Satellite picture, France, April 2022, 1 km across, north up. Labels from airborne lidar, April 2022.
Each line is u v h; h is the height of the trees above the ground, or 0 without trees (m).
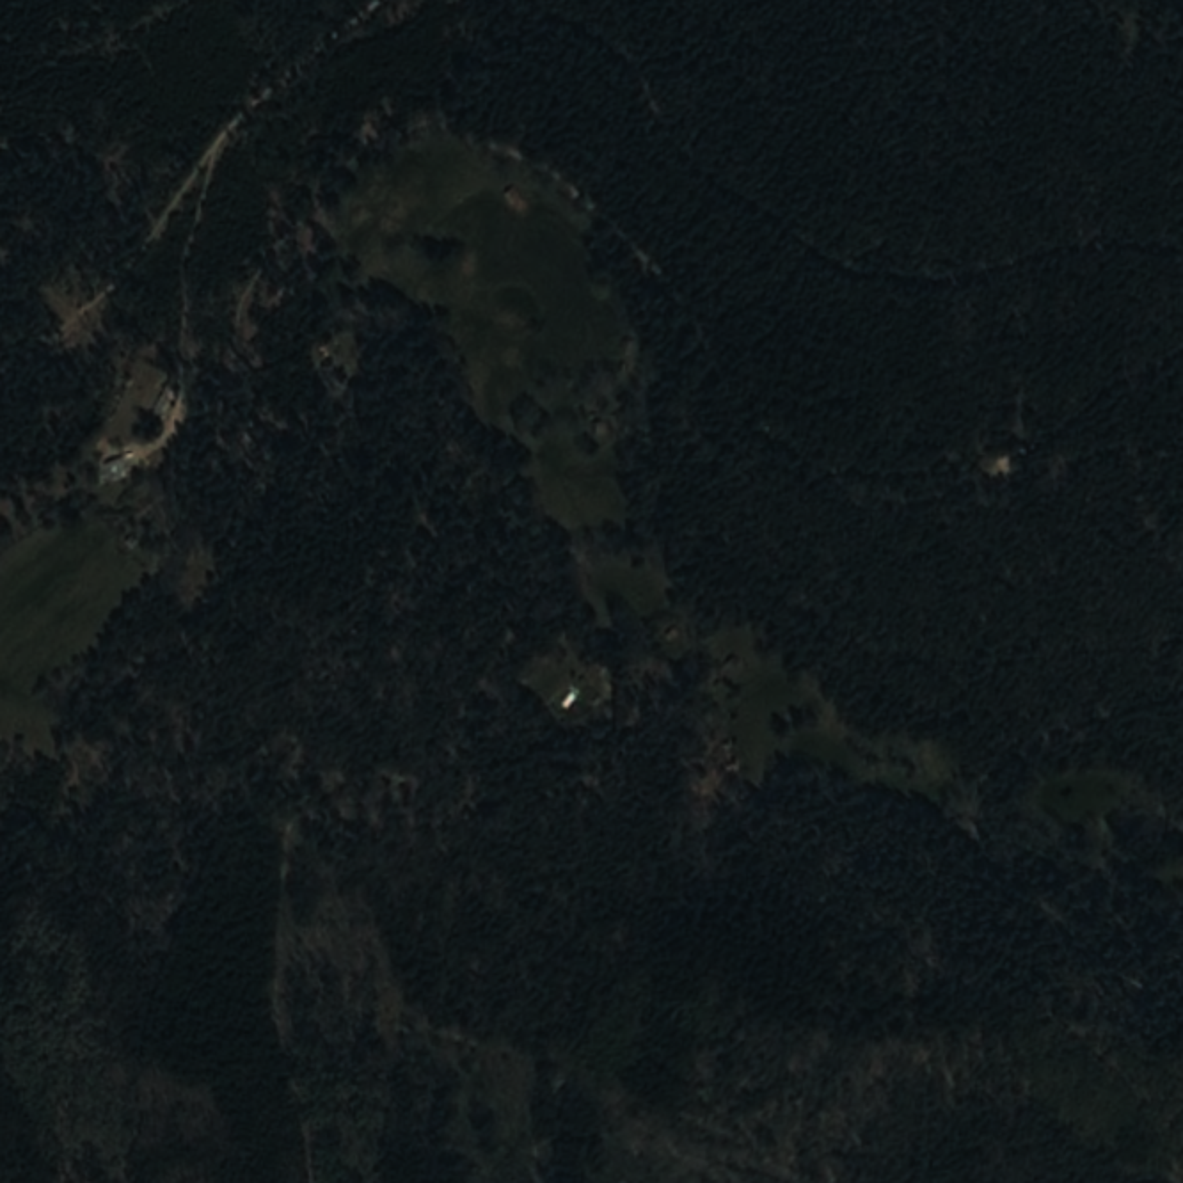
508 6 17
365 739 21
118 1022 23
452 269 0
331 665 27
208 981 29
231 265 12
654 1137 7
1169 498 25
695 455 23
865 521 20
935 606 18
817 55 24
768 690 0
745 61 25
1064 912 30
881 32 26
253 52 7
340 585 29
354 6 14
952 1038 10
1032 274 27
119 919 27
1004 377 28
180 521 24
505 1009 25
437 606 28
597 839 24
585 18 13
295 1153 18
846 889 24
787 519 20
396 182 0
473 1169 28
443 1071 27
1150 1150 12
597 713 7
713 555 26
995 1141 24
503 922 22
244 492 28
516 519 31
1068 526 24
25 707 0
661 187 25
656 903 20
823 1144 21
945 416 21
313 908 25
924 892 29
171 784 30
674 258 25
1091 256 27
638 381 13
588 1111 27
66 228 31
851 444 22
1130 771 26
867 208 19
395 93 12
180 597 29
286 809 29
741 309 25
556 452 0
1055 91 23
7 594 0
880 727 29
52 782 11
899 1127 22
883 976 18
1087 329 28
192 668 28
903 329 21
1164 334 25
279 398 12
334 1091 24
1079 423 27
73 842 32
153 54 7
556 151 31
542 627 30
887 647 22
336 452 29
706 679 24
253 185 6
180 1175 16
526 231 0
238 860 27
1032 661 20
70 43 8
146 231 28
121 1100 21
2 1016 12
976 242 24
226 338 7
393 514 26
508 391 0
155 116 7
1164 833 31
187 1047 27
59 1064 23
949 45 27
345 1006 17
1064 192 25
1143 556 23
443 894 18
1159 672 21
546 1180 22
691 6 24
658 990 14
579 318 0
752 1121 16
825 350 20
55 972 23
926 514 25
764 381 25
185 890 31
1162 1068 13
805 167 22
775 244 22
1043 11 24
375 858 27
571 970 25
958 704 24
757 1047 21
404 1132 18
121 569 0
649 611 0
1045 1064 13
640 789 24
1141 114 25
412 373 30
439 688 27
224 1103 17
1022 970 28
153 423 15
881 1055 19
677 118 20
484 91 29
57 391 28
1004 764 22
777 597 27
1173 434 25
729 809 23
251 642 29
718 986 18
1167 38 26
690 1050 23
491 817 25
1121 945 33
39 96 10
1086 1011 8
